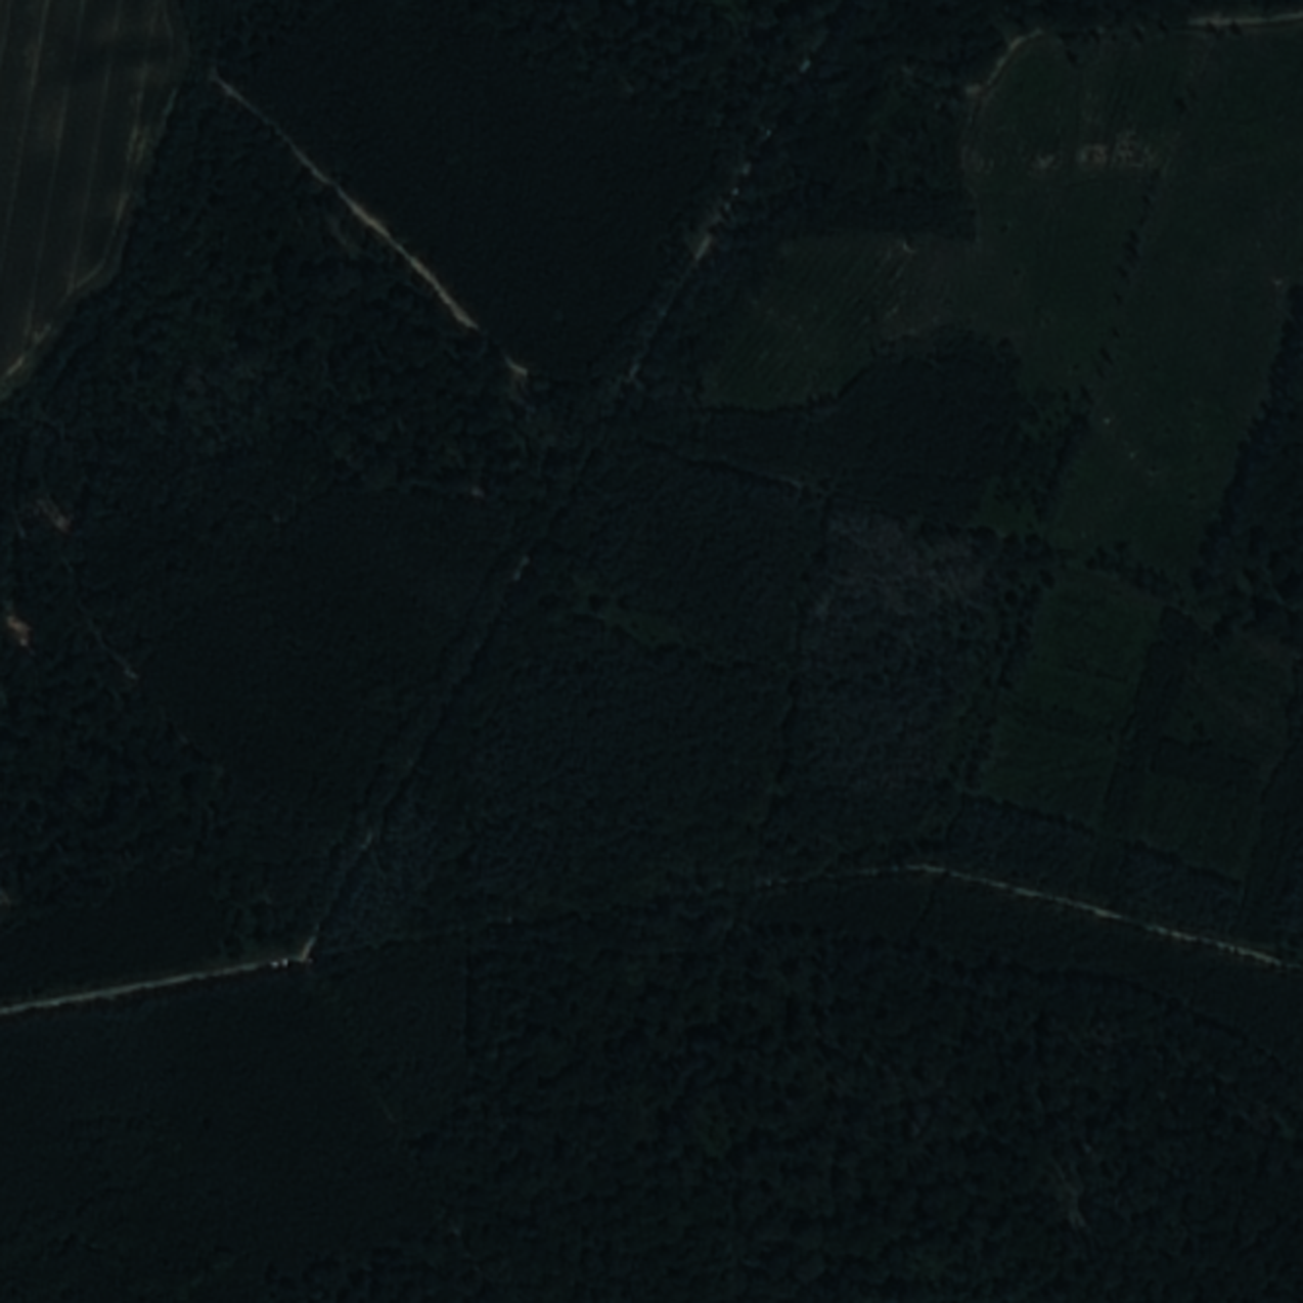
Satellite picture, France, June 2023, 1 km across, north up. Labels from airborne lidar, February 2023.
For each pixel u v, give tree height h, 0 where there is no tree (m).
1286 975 8
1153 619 0
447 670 13
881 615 16
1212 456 0
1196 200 0
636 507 18
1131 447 0
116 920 10
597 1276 21
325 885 12
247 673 12
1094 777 0
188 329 25
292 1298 22
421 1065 9
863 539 14
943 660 18
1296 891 16
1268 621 20
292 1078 13
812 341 0
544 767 17
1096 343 0
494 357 21
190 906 10
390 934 12
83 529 18
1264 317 0
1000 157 0
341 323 24
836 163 24
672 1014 19
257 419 22
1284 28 0
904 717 19
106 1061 12
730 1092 25
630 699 20
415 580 11
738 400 0
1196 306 0
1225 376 0
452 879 17
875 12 18
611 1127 25
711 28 24
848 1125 24
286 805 8
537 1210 20
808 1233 26
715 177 15
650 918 24
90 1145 14
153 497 18
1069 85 0
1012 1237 16
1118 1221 28
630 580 18
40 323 0
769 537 19
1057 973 21
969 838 12
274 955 0
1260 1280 19
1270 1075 19
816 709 19
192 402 24
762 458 9
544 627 12
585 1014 19
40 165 0
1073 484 0
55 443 21
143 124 0
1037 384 0
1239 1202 21
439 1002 11
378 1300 21
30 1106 13
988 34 19
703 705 13
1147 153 0
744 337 0
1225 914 17
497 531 14
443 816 16
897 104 0
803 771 19
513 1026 21
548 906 16
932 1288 27
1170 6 18
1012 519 0
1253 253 0
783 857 17
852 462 9
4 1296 12
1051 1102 22
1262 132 0
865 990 22
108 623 20
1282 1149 18
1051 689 0
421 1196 11
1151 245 0
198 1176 10
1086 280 0
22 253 0
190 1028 11
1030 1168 25
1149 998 22
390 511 13
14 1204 10
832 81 24
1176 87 0
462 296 12
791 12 23
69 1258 10
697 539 13
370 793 11
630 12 21
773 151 19
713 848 15
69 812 22
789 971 23
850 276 0
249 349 27
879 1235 22
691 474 13
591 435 23
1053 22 17
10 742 23
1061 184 0
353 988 10
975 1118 23
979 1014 21
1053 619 0
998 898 7
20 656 23
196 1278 11
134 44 0
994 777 0
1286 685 0
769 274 17
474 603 10
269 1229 12
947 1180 27
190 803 20
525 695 17
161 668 14
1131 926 7
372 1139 13
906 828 11
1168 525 0
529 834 21
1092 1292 19
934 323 0
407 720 11
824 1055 25
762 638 16
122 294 11
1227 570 22
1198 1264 23
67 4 0
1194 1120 22
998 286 0
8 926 10
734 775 17
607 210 11
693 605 16
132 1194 13
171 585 16
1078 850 16
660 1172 24
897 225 6
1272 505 22
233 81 18
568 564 18
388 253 14
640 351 14
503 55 13
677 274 13
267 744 10
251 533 16
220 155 19
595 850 16
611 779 16
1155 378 0
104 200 0
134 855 15
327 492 13
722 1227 24
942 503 9
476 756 17
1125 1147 22
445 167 11
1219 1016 7
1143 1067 25
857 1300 23
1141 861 14
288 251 22
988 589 13
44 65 0
